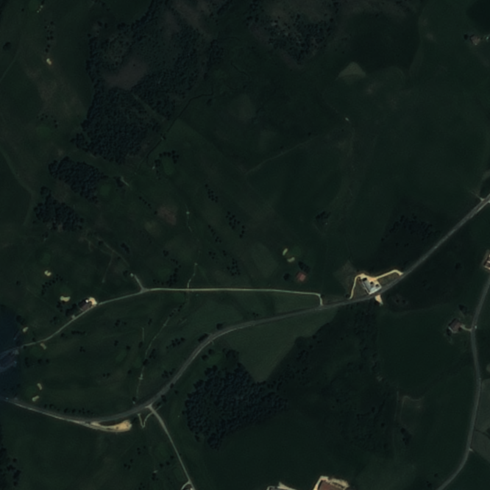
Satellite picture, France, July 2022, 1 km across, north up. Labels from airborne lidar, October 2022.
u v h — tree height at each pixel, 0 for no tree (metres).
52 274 0
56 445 0
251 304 0
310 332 0
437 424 0
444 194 0
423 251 0
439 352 0
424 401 0
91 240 0
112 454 0
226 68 0
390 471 0
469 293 0
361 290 0
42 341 0
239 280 0
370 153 0
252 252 0
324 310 0
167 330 0
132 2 0
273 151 0
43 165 0
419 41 0
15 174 0
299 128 0
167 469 0
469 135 0
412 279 0
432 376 0
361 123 0
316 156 0
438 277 0
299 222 0
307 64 0
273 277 0
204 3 0
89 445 0
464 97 0
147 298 0
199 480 0
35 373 0
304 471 0
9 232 0
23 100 0
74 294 0
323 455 0
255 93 0
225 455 0
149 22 15
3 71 0
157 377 0
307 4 0
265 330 0
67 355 0
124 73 0
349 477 0
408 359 0
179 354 0
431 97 0
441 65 0
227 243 0
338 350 0
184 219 0
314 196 0
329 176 0
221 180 0
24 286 0
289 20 0
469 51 0
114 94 16
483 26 0
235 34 0
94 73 13
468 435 0
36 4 0
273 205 0
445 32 0
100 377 0
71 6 0
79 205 0
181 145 0
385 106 0
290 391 0
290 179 0
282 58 0
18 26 0
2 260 0
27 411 0
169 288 0
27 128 0
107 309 0
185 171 0
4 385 0
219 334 0
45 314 0
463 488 0
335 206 0
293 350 0
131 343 0
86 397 0
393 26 0
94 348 0
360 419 11
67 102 0
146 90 11
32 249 0
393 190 0
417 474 0
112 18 0
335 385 6
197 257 0
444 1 0
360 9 0
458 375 0
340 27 0
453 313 0
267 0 0
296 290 0
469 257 0
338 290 0
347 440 6
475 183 0
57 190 0
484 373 0
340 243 0
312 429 0
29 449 0
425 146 0
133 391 0
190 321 0
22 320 12
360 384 0
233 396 26
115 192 0
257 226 0
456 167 0
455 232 0
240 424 16
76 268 0
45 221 9
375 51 0
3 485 18
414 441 0
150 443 0
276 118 0
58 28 0
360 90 0
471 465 0
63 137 0
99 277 0
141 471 0
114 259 0
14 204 0
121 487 0
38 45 0
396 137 0
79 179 22
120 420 0
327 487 0
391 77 0
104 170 0
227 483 0
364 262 0
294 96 0
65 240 0
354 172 0
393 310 0
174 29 0
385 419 0
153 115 0
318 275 0
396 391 0
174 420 0
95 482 0
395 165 0
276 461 0
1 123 0
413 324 0
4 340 0
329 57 0
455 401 0
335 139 0
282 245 0
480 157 0
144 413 0
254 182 0
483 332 0
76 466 0
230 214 13
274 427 0
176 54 0
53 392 0
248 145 0
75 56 0
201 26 0
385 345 0
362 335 6
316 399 0
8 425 0
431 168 0
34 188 0
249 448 0
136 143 14
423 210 0
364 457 0
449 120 0
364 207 0
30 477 0
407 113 0
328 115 0
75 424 0
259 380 0
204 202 0
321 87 0
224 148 0
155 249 0
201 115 0
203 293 0
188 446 0
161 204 0
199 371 0
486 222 0
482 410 0
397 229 7
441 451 0
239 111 0
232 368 0
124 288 0
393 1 0
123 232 0
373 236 0
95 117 23
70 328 0
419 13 0
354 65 0
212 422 13
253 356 0
